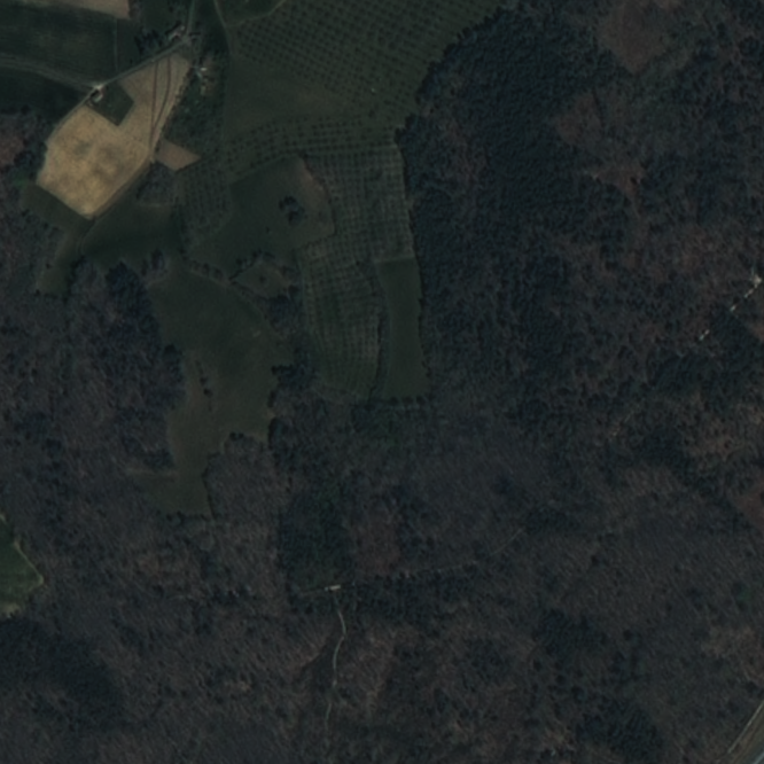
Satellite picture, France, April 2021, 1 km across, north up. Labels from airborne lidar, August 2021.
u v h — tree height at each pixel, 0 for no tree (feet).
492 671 43
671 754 39
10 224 56
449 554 48
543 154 43
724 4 44
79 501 34
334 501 50
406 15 25
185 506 0
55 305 62
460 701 40
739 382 67
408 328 0
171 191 63
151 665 44
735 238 44
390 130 19
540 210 40
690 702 51
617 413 63
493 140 41
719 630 64
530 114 36
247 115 0
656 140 63
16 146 0
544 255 39
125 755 52
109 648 42
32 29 0
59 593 50
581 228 54
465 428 57
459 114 51
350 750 62
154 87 0
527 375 29
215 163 25
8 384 39
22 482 40
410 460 62
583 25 25
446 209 40
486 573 50
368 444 57
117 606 48
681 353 37
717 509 42
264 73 0
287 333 48
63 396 23
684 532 51
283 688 53
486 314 45
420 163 26
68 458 32
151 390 41
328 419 31
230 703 46
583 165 25
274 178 0
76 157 0
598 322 37
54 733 52
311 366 52
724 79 24
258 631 42
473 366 40
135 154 0
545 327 71
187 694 39
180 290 0
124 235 0
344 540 48
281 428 57
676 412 45
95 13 0
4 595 0
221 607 71
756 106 42
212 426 0
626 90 20
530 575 56
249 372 0
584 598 32
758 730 0
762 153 37
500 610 54
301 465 21
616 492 53
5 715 44
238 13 0
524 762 22
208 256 0
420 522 56
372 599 42
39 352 55
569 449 27
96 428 39
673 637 64
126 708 66
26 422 46
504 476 53
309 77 23
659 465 48
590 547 65
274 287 0
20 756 56
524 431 36
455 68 66
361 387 22
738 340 81
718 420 38
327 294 27
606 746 78
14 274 29
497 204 52
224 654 53
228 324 0
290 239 0
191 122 39
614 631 35
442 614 50
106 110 0
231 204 20
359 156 25
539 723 46
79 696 60
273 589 40
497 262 63
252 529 56
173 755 38
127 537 55
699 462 21
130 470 34
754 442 48
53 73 0
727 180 36
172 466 70
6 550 0
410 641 28
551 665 30
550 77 39
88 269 51
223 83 28
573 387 58
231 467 48
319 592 36
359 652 39
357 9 31
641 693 66
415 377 0
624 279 61
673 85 37
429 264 36
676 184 44
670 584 27
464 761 22
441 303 45
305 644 45
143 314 71
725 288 26
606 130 27
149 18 0
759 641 51
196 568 34
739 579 54
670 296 67
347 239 23
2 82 0
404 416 47
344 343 22
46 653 49
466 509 51
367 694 45
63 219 0
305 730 19
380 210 44
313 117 0
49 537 42
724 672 71
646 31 41
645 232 29
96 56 0
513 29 36
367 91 24
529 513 55
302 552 59
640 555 34
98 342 46
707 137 55
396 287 0
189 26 0
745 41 23
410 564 56
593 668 37
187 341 0
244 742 59
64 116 0
